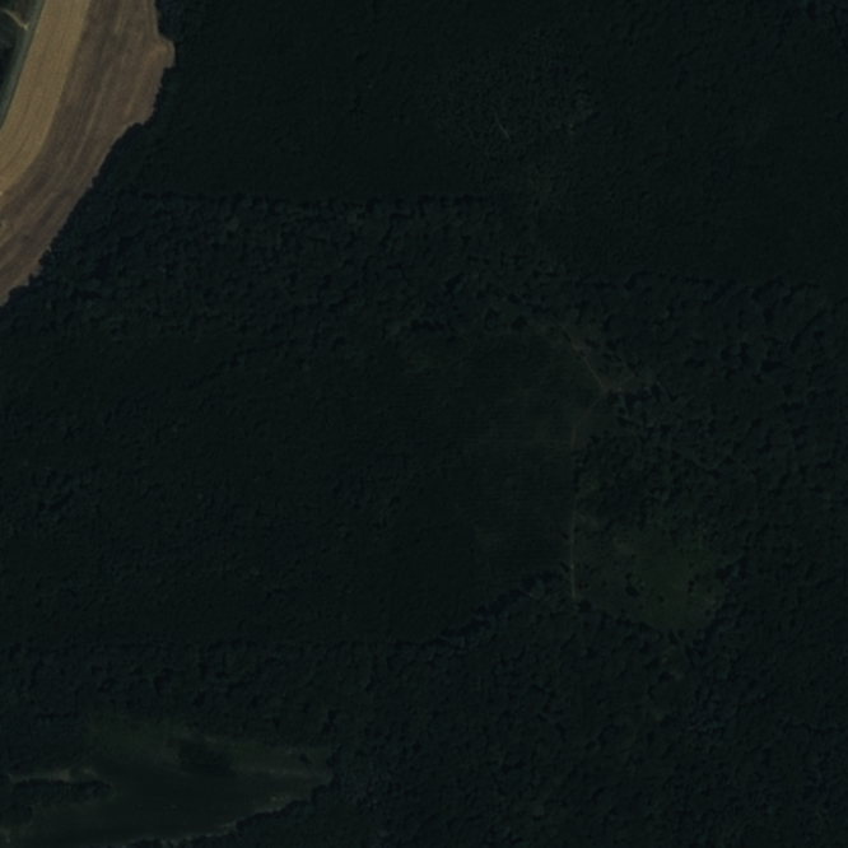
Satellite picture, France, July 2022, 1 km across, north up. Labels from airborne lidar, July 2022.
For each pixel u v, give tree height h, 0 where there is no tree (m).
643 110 20
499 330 30
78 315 32
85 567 13
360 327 28
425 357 22
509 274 31
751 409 34
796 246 18
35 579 14
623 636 28
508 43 19
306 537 15
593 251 20
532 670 32
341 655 24
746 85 17
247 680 12
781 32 19
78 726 26
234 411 17
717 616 7
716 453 28
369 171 12
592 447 9
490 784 26
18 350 17
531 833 28
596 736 30
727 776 22
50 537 15
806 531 25
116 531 18
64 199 0
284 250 23
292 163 12
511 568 6
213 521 17
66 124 0
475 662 27
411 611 15
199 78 13
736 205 14
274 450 8
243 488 13
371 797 23
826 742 27
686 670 23
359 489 15
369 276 29
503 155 19
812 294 32
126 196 24
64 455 20
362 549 13
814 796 29
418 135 10
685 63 15
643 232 22
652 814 22
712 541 22
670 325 33
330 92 16
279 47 14
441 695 28
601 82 14
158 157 14
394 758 20
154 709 25
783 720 22
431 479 15
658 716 24
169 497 15
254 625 11
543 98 20
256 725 26
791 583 19
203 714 24
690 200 15
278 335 29
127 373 10
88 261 32
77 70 0
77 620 18
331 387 9
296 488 15
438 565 8
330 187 14
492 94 20
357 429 13
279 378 16
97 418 15
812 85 20
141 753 0
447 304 29
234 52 13
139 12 0
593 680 31
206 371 10
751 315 34
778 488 14
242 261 25
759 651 15
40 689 26
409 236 29
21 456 26
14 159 0
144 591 25
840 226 17
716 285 26
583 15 21
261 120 11
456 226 31
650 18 8
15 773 18
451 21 16
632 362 25
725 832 23
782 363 24
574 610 30
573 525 0
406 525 12
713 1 20
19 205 0
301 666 23
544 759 30
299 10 15
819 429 24
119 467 26
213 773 7
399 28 16
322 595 14
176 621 10
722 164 15
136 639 10
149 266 31
